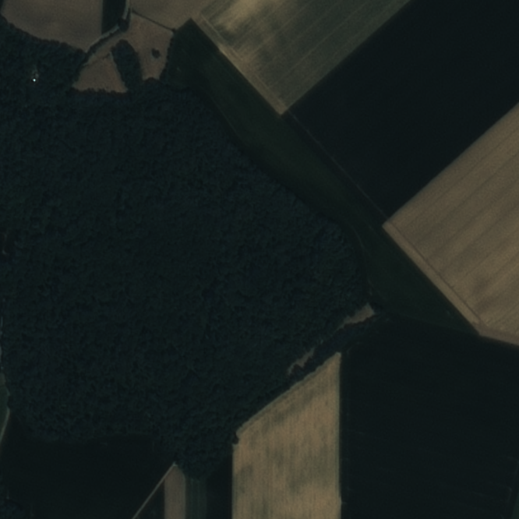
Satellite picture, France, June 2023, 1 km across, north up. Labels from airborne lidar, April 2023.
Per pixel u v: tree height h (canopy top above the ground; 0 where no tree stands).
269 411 0
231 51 0
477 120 0
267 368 22
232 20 0
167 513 0
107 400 22
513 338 0
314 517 0
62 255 13
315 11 0
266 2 0
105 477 0
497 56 0
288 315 21
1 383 0
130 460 0
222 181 20
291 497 0
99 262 25
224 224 20
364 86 0
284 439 0
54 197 22
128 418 13
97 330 25
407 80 0
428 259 0
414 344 0
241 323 22
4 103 22
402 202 0
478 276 0
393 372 0
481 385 0
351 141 0
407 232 0
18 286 21
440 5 0
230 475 0
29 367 23
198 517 0
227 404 21
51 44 12
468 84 0
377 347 0
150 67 0
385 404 0
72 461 0
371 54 0
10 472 0
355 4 0
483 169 0
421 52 0
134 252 21
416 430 0
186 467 21
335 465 0
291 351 23
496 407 0
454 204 0
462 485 0
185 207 23
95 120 25
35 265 24
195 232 28
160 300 22
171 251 26
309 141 0
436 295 0
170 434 10
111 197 25
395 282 0
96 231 25
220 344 25
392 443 0
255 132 0
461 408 0
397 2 0
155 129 23
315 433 0
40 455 0
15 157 18
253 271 27
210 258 23
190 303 26
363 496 0
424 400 0
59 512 0
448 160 0
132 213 25
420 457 0
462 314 0
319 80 0
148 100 15
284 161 0
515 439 0
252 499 0
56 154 21
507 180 0
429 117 0
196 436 24
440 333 0
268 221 19
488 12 0
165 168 24
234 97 0
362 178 0
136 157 22
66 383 6
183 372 18
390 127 0
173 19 0
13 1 0
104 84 0
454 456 0
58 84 22
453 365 0
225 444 17
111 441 0
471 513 0
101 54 0
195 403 15
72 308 27
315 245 10
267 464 0
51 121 18
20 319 21
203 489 0
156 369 21
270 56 0
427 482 0
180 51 0
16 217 23
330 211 0
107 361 20
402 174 0
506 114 0
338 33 0
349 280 20
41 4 0
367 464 0
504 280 0
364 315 0
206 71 0
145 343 23
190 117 16
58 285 26
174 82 0
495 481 0
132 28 0
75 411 22
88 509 0
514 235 0
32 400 12
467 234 0
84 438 17
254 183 20
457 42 0
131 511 0
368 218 0
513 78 0
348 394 0
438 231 0
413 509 0
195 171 9
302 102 0
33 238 19
